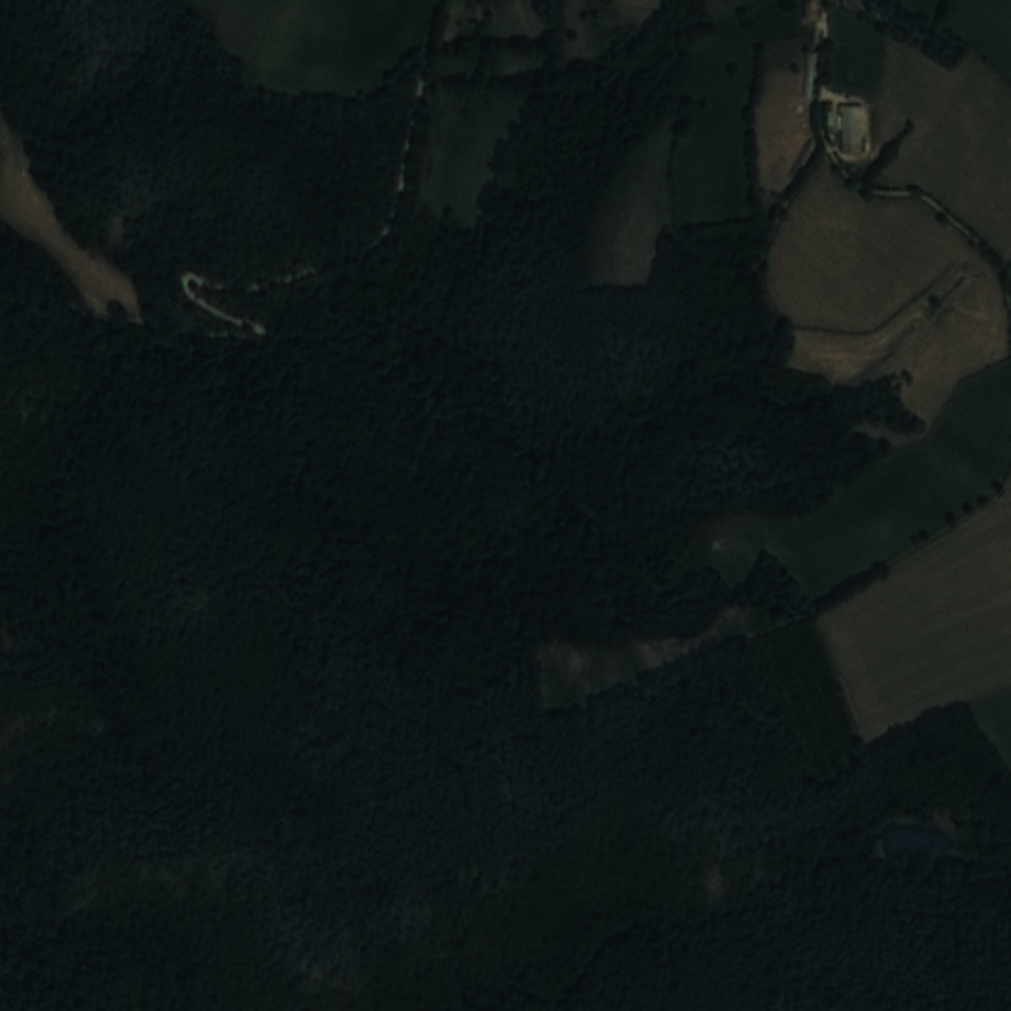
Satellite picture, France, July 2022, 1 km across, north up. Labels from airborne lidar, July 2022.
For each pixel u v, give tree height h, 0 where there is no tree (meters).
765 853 16
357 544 22
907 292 0
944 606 0
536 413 9
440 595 27
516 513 24
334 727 10
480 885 18
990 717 0
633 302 16
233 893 13
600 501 20
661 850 13
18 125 20
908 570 0
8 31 17
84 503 11
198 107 11
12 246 21
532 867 14
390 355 19
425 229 10
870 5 20
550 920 22
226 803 16
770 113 0
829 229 0
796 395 9
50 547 26
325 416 24
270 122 12
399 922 18
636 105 18
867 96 0
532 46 13
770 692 14
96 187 10
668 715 14
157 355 15
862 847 8
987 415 0
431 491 31
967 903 25
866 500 0
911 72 0
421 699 20
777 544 0
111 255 7
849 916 22
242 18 0
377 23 0
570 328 14
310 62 0
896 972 25
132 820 16
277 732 18
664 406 24
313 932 17
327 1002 8
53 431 23
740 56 0
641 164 0
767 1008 16
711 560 0
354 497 23
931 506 0
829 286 0
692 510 21
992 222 0
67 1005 19
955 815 8
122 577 11
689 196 0
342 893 19
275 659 16
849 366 0
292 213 13
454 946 14
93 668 23
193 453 15
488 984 21
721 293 13
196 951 14
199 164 11
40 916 27
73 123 14
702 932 23
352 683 14
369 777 21
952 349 0
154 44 16
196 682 15
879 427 6
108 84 15
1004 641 0
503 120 0
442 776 17
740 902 23
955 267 0
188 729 19
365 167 15
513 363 14
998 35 0
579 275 9
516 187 6
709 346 18
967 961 19
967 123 0
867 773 20
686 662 18
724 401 24
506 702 24
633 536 29
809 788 17
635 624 18
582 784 17
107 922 23
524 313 14
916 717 0
